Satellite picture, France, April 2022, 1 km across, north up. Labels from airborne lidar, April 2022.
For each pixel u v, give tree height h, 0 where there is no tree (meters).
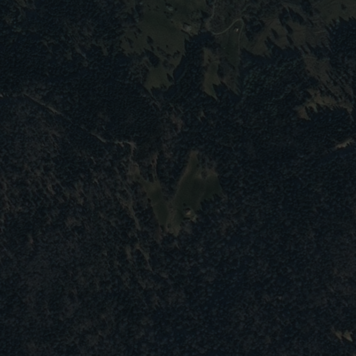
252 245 28
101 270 26
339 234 28
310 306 18
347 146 0
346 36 30
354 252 28
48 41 16
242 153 26
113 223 9
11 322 21
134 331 31
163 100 31
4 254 24
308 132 23
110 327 29
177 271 21
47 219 10
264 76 28
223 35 0
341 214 28
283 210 31
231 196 30
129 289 6
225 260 20
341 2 0
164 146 20
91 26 14
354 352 21
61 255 30
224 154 33
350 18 0
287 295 26
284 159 11
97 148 26
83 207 34
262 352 21
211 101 17
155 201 0
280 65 29
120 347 30
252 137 23
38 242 26
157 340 32
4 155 26
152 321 27
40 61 27
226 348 26
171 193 26
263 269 28
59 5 32
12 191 27
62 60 20
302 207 26
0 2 14
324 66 0
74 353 21
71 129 21
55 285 27
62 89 31
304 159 34
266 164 21
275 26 0
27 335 26
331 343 24
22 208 23
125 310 17
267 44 0
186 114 9
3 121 31
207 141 35
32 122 29
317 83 17
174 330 10
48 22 27
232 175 16
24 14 17
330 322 27
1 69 23
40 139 10
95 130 28
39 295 27
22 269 25
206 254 32
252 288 26
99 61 17
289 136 22
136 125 22
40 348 16
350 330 23
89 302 29
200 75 31
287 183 33
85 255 26
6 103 25
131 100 22
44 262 25
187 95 31
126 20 29
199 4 0
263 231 30
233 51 0
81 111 19
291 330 26
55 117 16
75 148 20
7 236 18
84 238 33
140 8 9
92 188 32
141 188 25
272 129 24
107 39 22
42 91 31
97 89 27
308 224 34
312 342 26
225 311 18
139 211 30
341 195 28
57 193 33
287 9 0
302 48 0
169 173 17
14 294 7
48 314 21
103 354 28
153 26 0
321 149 25
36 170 20
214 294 8
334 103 0
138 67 6
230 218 13
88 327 35
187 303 28
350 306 21
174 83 9
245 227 37
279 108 24
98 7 31
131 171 16
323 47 0
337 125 22
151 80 0
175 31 0
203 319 18
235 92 0
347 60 30
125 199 31
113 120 11
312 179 29
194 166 0
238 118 30
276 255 30
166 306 33
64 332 17
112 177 29
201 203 0
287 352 24
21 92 21
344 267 28
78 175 36
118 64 12
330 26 7
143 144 14
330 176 24
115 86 28
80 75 27
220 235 21
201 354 17
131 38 0
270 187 30
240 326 22
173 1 0
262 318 29
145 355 27
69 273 29
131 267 31
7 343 21
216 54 11
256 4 22
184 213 0
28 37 24
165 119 24
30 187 19
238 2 0
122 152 24
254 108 22
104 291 26
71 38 36
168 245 19
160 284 34
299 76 20
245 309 24
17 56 28
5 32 33
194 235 15
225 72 18
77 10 31
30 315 23
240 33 0
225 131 28
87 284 24
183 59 0
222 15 0
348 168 24
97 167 9
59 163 30
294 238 26
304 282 15
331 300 25
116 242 18
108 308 22
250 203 27
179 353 20
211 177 0
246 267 26
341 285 27
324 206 29
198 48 32
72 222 30
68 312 25
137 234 27
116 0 24
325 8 0
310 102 0
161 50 11
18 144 25
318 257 27
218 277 20
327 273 30
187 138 19
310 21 0
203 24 8
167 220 0
